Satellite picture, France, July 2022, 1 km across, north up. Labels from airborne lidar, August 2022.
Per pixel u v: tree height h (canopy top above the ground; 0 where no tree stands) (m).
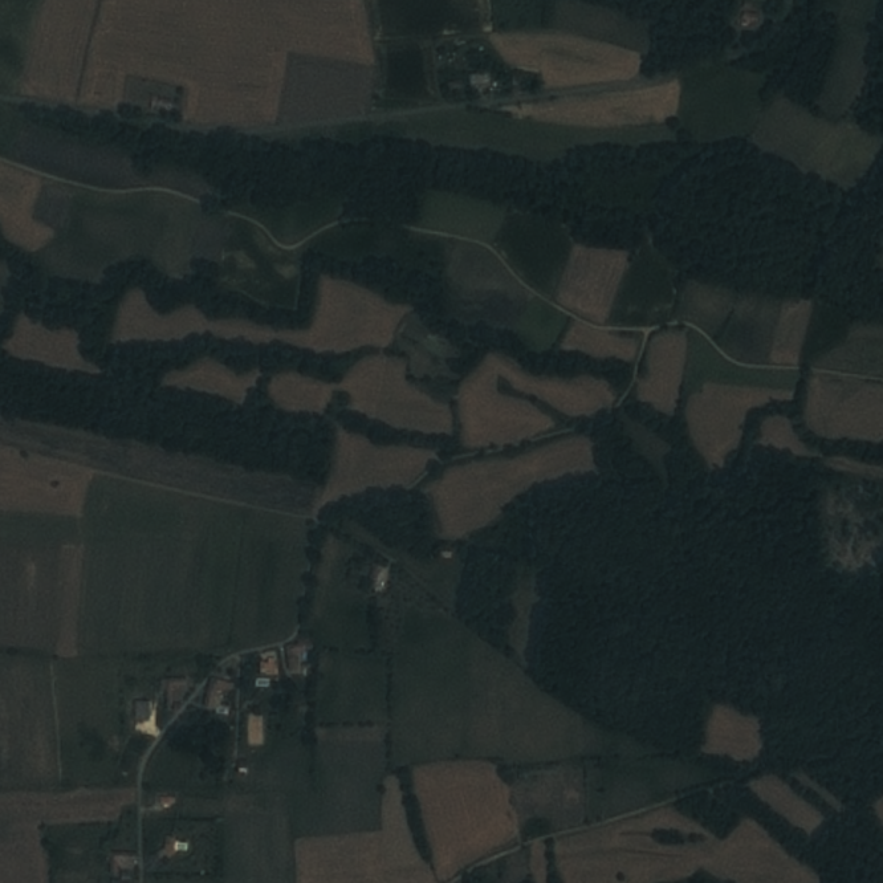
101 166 0
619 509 28
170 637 0
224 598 0
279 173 28
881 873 22
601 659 27
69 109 16
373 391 0
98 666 0
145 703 0
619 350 0
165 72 0
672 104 0
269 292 0
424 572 0
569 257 0
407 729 0
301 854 0
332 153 26
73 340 0
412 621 0
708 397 0
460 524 0
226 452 19
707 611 27
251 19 0
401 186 16
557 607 34
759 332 0
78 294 14
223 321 0
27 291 17
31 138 0
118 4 0
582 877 0
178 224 0
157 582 0
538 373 14
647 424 19
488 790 0
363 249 0
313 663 11
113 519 0
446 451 11
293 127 0
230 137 22
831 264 27
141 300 0
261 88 0
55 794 0
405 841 0
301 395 0
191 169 25
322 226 0
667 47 13
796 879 0
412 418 0
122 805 0
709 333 0
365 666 0
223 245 0
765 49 18
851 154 0
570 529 24
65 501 0
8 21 0
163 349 24
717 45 24
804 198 18
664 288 0
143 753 0
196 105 0
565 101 0
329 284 0
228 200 20
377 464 0
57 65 0
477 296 0
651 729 21
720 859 0
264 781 0
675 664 29
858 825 19
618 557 25
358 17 0
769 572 27
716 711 0
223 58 0
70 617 0
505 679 0
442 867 0
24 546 0
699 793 11
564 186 31
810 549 27
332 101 0
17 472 0
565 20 0
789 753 15
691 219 19
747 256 24
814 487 9
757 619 28
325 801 0
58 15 0
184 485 0
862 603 26
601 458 16
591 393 0
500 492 0
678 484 14
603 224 7
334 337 0
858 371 0
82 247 0
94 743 0
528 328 0
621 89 0
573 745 0
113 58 0
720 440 0
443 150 15
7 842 0
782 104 0
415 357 0
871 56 18
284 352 24
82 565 0
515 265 0
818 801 13
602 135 0
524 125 0
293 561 0
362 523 18
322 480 15
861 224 23
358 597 0
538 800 0
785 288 20
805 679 25
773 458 25
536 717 0
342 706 0
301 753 0
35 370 15
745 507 19
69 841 0
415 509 26
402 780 12
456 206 0
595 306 0
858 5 0
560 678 30
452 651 0
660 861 0
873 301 27
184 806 0
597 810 0
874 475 0
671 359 0
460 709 0
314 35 0
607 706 21
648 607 27
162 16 0
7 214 0
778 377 0
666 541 29
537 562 18
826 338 0
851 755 20
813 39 23
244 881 0
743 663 26
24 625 0
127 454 0
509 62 0
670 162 23
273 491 0
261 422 20
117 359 27
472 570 21
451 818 0
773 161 22
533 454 0
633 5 20
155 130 14
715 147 16
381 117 0
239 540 0
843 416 0
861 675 20
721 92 0
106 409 23
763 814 15
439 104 0
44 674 0
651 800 0
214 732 18
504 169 23
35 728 0
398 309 0
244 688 19
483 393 0
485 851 0
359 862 0
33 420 8
